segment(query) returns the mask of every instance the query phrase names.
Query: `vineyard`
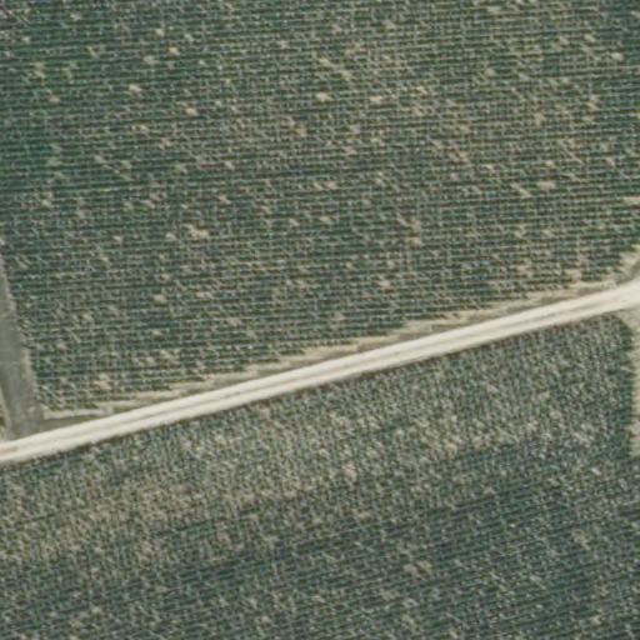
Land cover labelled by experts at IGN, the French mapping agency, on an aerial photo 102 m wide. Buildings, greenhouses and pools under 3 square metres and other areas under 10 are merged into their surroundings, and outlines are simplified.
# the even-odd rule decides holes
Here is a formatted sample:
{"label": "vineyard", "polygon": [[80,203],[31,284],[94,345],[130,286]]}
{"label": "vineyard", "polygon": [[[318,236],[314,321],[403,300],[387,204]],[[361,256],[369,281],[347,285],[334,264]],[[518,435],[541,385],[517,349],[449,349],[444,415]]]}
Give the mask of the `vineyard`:
{"label": "vineyard", "polygon": [[370,353],[408,340],[420,340],[448,330],[470,328],[478,323],[538,310],[545,305],[615,290],[640,278],[640,0],[0,0],[0,440],[18,440],[68,425],[103,420],[120,413],[183,400],[200,393],[213,393],[220,388],[280,373],[293,373],[328,360]]}
{"label": "vineyard", "polygon": [[298,388],[290,393],[250,400],[225,410],[83,443],[50,455],[0,463],[0,640],[640,640],[640,305],[530,333],[518,333],[510,338],[488,340],[453,353],[378,368],[310,388]]}

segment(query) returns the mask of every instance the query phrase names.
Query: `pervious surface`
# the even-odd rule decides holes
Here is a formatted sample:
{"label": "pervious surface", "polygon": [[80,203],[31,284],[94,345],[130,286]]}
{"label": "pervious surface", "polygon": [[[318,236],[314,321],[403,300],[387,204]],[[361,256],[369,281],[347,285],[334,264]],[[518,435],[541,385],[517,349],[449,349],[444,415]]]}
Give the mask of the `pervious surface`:
{"label": "pervious surface", "polygon": [[68,425],[18,440],[0,440],[0,463],[50,455],[83,443],[225,410],[250,400],[290,393],[298,388],[310,388],[378,368],[453,353],[488,340],[510,338],[518,333],[530,333],[640,305],[640,278],[615,290],[545,305],[538,310],[478,323],[470,328],[448,330],[420,340],[408,340],[370,353],[328,360],[293,373],[280,373],[220,388],[213,393],[200,393],[183,400],[120,413],[103,420]]}

